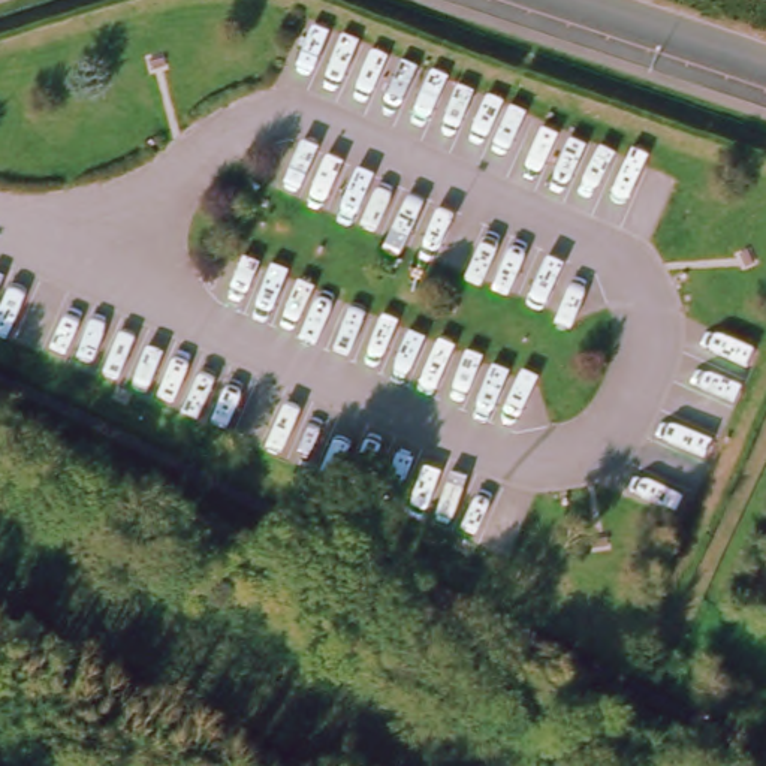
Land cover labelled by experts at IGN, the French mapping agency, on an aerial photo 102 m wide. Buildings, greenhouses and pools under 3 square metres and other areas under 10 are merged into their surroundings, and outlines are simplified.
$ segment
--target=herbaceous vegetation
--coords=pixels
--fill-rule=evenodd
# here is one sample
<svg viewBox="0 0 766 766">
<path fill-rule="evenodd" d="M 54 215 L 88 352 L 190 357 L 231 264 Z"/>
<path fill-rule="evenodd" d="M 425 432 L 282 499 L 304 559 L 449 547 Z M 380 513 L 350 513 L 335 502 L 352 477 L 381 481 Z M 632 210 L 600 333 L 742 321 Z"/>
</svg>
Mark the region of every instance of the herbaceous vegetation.
<svg viewBox="0 0 766 766">
<path fill-rule="evenodd" d="M 766 751 L 766 718 L 748 727 L 748 739 L 742 745 L 751 757 L 757 751 Z"/>
<path fill-rule="evenodd" d="M 254 141 L 284 150 L 287 156 L 299 141 L 323 141 L 326 123 L 284 117 L 260 129 Z"/>
<path fill-rule="evenodd" d="M 688 269 L 688 281 L 679 287 L 682 305 L 688 305 L 691 317 L 700 320 L 709 332 L 727 332 L 751 344 L 751 374 L 739 383 L 739 398 L 724 422 L 730 428 L 739 425 L 742 413 L 748 413 L 754 383 L 766 368 L 766 120 L 715 108 L 700 99 L 610 72 L 604 66 L 592 66 L 533 42 L 485 30 L 446 12 L 419 6 L 413 0 L 347 0 L 386 18 L 419 27 L 425 33 L 434 33 L 440 39 L 449 39 L 455 45 L 464 45 L 470 51 L 506 60 L 518 69 L 551 75 L 551 84 L 560 84 L 566 90 L 583 87 L 592 99 L 613 102 L 619 108 L 649 117 L 661 114 L 670 117 L 679 129 L 706 138 L 712 135 L 721 144 L 721 156 L 718 162 L 706 162 L 670 150 L 667 144 L 655 141 L 655 135 L 622 132 L 607 123 L 595 123 L 580 111 L 560 111 L 554 102 L 542 102 L 530 90 L 482 78 L 476 69 L 464 72 L 461 66 L 455 66 L 452 57 L 440 57 L 437 51 L 410 48 L 407 60 L 419 63 L 422 69 L 440 69 L 452 81 L 467 84 L 470 90 L 494 93 L 503 102 L 512 102 L 527 114 L 539 117 L 545 126 L 572 132 L 580 141 L 604 144 L 610 150 L 643 150 L 652 168 L 676 180 L 667 209 L 655 227 L 655 245 L 667 260 L 724 257 L 733 251 L 748 251 L 757 260 L 754 269 Z"/>
<path fill-rule="evenodd" d="M 105 0 L 0 0 L 0 33 Z"/>
<path fill-rule="evenodd" d="M 233 51 L 215 45 L 209 33 L 230 15 L 245 30 L 245 39 Z M 290 57 L 305 27 L 305 6 L 284 9 L 272 6 L 269 0 L 230 0 L 180 3 L 165 12 L 156 12 L 147 27 L 132 24 L 126 30 L 123 24 L 108 24 L 96 33 L 78 33 L 30 51 L 0 54 L 0 171 L 66 174 L 66 186 L 87 183 L 81 177 L 81 168 L 126 153 L 147 141 L 156 129 L 168 126 L 159 84 L 144 63 L 147 54 L 168 63 L 180 129 L 189 129 L 197 117 L 192 105 L 200 93 L 242 75 L 257 75 L 260 69 L 272 66 L 281 54 Z M 102 72 L 111 75 L 111 81 L 102 87 L 75 90 L 69 96 L 63 63 L 78 51 L 87 51 L 87 60 L 99 63 Z"/>
<path fill-rule="evenodd" d="M 640 727 L 688 727 L 697 718 L 691 679 L 652 679 L 640 667 L 634 667 L 625 646 L 631 637 L 655 637 L 667 649 L 694 655 L 694 622 L 712 628 L 709 655 L 718 658 L 718 670 L 727 679 L 751 679 L 754 685 L 766 688 L 766 646 L 745 634 L 736 622 L 727 622 L 718 604 L 736 595 L 742 604 L 766 604 L 766 470 L 754 485 L 754 500 L 745 506 L 739 518 L 736 536 L 718 557 L 709 589 L 700 589 L 697 580 L 703 554 L 709 551 L 721 521 L 727 518 L 733 497 L 745 485 L 742 464 L 751 461 L 766 428 L 766 395 L 751 422 L 751 431 L 736 458 L 727 488 L 712 488 L 697 524 L 697 542 L 691 548 L 691 554 L 679 563 L 682 583 L 670 583 L 658 604 L 637 607 L 610 601 L 616 577 L 634 569 L 640 518 L 646 512 L 655 512 L 658 506 L 622 494 L 598 521 L 589 524 L 577 518 L 566 500 L 539 494 L 518 527 L 482 545 L 476 545 L 458 521 L 440 515 L 437 509 L 428 509 L 422 518 L 398 515 L 398 548 L 392 551 L 386 536 L 371 545 L 377 566 L 398 580 L 413 575 L 431 575 L 434 586 L 428 589 L 428 607 L 434 613 L 440 613 L 443 607 L 455 607 L 458 598 L 485 598 L 491 619 L 512 619 L 512 634 L 524 643 L 527 661 L 539 652 L 542 643 L 560 646 L 575 670 L 572 682 L 560 685 L 557 691 L 557 697 L 566 706 L 586 706 L 601 697 L 613 697 L 631 706 L 631 721 Z"/>
<path fill-rule="evenodd" d="M 48 350 L 42 350 L 42 344 L 30 347 L 18 344 L 9 332 L 0 335 L 0 407 L 9 413 L 21 413 L 30 425 L 48 431 L 60 446 L 66 446 L 75 455 L 75 461 L 81 461 L 93 473 L 108 473 L 111 482 L 132 482 L 135 488 L 165 485 L 168 491 L 189 500 L 197 527 L 209 530 L 209 536 L 200 539 L 200 551 L 209 554 L 233 551 L 251 533 L 257 533 L 263 518 L 275 509 L 272 491 L 278 485 L 293 482 L 296 464 L 281 455 L 266 455 L 263 443 L 257 449 L 248 449 L 248 440 L 242 434 L 230 434 L 227 425 L 203 422 L 200 416 L 180 416 L 174 407 L 162 404 L 159 395 L 150 389 L 138 389 L 135 383 L 120 380 L 111 383 L 90 362 L 57 359 Z"/>
<path fill-rule="evenodd" d="M 554 422 L 575 419 L 598 395 L 601 383 L 598 377 L 580 383 L 569 377 L 569 362 L 586 347 L 610 362 L 616 356 L 622 335 L 622 323 L 613 314 L 604 311 L 580 317 L 575 320 L 575 326 L 563 329 L 554 323 L 551 311 L 530 308 L 521 296 L 503 296 L 482 284 L 467 284 L 467 266 L 473 257 L 470 242 L 446 245 L 434 260 L 419 260 L 416 248 L 389 254 L 383 248 L 386 239 L 380 233 L 338 224 L 332 212 L 308 209 L 305 200 L 281 189 L 281 177 L 254 177 L 239 162 L 224 165 L 212 183 L 239 192 L 233 197 L 233 215 L 218 221 L 236 233 L 248 257 L 284 266 L 290 275 L 311 281 L 326 299 L 350 302 L 371 314 L 398 317 L 404 314 L 404 302 L 413 305 L 419 299 L 422 275 L 437 278 L 443 290 L 449 290 L 449 308 L 461 305 L 461 317 L 455 323 L 446 323 L 446 338 L 464 350 L 479 350 L 488 362 L 533 371 Z"/>
</svg>

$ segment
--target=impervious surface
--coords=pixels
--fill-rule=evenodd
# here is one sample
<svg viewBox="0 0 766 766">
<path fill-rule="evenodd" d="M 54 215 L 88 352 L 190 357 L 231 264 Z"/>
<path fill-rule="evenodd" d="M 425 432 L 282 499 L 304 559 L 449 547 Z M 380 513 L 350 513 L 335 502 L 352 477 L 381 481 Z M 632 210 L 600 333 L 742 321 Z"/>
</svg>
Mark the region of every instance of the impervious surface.
<svg viewBox="0 0 766 766">
<path fill-rule="evenodd" d="M 721 521 L 709 551 L 703 554 L 697 580 L 700 589 L 709 589 L 718 557 L 736 536 L 739 518 L 745 506 L 754 500 L 754 485 L 766 470 L 766 428 L 751 461 L 742 464 L 745 485 L 733 497 L 727 518 Z"/>
<path fill-rule="evenodd" d="M 419 6 L 446 12 L 485 30 L 533 42 L 592 66 L 604 66 L 610 72 L 700 99 L 715 108 L 766 120 L 766 30 L 730 18 L 709 18 L 673 0 L 413 0 Z"/>
<path fill-rule="evenodd" d="M 144 63 L 159 84 L 168 126 L 171 141 L 159 156 L 117 177 L 87 183 L 66 186 L 27 192 L 0 186 L 0 335 L 9 332 L 18 344 L 30 347 L 42 344 L 42 350 L 48 350 L 57 359 L 90 362 L 111 383 L 120 380 L 135 383 L 138 389 L 150 389 L 159 395 L 162 404 L 174 407 L 180 416 L 200 416 L 203 422 L 227 425 L 230 434 L 242 434 L 248 440 L 248 449 L 257 449 L 263 443 L 266 455 L 281 455 L 296 464 L 326 467 L 329 458 L 350 461 L 356 452 L 383 452 L 383 458 L 395 464 L 395 473 L 413 482 L 410 494 L 395 497 L 398 515 L 422 518 L 428 509 L 437 509 L 440 515 L 458 521 L 476 545 L 482 545 L 518 527 L 539 494 L 566 500 L 577 518 L 589 524 L 598 521 L 622 494 L 658 506 L 676 509 L 673 530 L 691 548 L 697 542 L 697 524 L 712 488 L 715 467 L 721 461 L 718 422 L 724 422 L 739 398 L 739 383 L 751 374 L 751 344 L 727 332 L 709 332 L 700 320 L 691 317 L 688 305 L 682 305 L 679 287 L 688 281 L 688 269 L 754 269 L 757 260 L 748 251 L 733 251 L 724 257 L 667 260 L 655 245 L 655 227 L 667 209 L 676 180 L 652 168 L 643 150 L 610 150 L 604 144 L 580 141 L 572 132 L 545 126 L 539 117 L 527 114 L 512 102 L 503 102 L 494 93 L 470 90 L 467 84 L 452 81 L 440 69 L 422 69 L 419 63 L 407 60 L 383 54 L 353 39 L 350 33 L 335 33 L 320 24 L 305 27 L 290 57 L 290 63 L 269 87 L 239 93 L 230 102 L 215 105 L 209 114 L 197 117 L 189 129 L 180 129 L 168 63 L 147 54 Z M 338 224 L 380 233 L 386 239 L 383 248 L 389 254 L 416 248 L 419 260 L 434 260 L 446 245 L 470 242 L 473 257 L 467 266 L 467 284 L 482 284 L 503 296 L 521 296 L 530 308 L 551 311 L 554 323 L 563 329 L 575 326 L 575 320 L 580 317 L 604 311 L 613 314 L 622 323 L 622 335 L 616 356 L 610 362 L 601 383 L 598 395 L 575 419 L 554 422 L 533 371 L 488 362 L 479 350 L 464 350 L 446 338 L 431 338 L 416 329 L 407 329 L 398 317 L 371 314 L 350 302 L 326 299 L 311 281 L 290 275 L 284 266 L 248 257 L 239 257 L 233 269 L 227 269 L 218 278 L 203 278 L 194 260 L 189 245 L 192 230 L 215 221 L 200 206 L 203 192 L 212 183 L 224 165 L 239 162 L 254 141 L 260 129 L 284 117 L 326 123 L 323 141 L 299 141 L 287 156 L 281 177 L 281 189 L 305 200 L 308 209 L 332 212 Z"/>
</svg>

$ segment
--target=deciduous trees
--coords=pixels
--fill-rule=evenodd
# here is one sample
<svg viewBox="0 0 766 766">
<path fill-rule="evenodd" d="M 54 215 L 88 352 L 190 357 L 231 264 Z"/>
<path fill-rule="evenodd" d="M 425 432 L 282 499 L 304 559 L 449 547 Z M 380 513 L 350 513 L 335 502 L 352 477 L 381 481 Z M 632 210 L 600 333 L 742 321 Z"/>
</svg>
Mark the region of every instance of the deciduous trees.
<svg viewBox="0 0 766 766">
<path fill-rule="evenodd" d="M 233 51 L 245 39 L 245 30 L 230 15 L 209 33 L 215 45 Z"/>
<path fill-rule="evenodd" d="M 601 383 L 610 362 L 586 347 L 569 362 L 569 377 L 580 383 L 598 377 Z"/>
<path fill-rule="evenodd" d="M 203 688 L 174 682 L 138 688 L 123 676 L 120 667 L 99 664 L 96 640 L 87 640 L 84 649 L 69 646 L 60 637 L 51 637 L 51 631 L 42 628 L 33 616 L 0 616 L 0 748 L 39 736 L 45 745 L 51 745 L 57 766 L 281 766 L 278 754 L 254 754 L 242 736 L 218 730 L 218 712 L 206 712 Z"/>
<path fill-rule="evenodd" d="M 754 685 L 751 679 L 727 679 L 718 670 L 718 658 L 709 655 L 712 628 L 694 622 L 694 655 L 667 649 L 655 637 L 631 637 L 625 646 L 634 667 L 640 667 L 652 679 L 691 679 L 697 718 L 688 727 L 640 727 L 631 721 L 631 706 L 613 697 L 601 697 L 586 706 L 566 706 L 557 697 L 557 691 L 560 685 L 572 682 L 575 670 L 560 646 L 542 643 L 539 652 L 527 661 L 524 643 L 512 634 L 512 619 L 491 619 L 485 598 L 458 598 L 455 607 L 443 607 L 440 613 L 434 613 L 428 607 L 428 589 L 434 586 L 431 575 L 413 575 L 398 580 L 377 566 L 371 545 L 386 536 L 392 551 L 398 548 L 398 515 L 395 497 L 410 494 L 413 482 L 395 473 L 395 464 L 383 458 L 383 452 L 356 452 L 350 461 L 329 458 L 326 467 L 296 464 L 293 482 L 278 485 L 272 491 L 275 509 L 263 518 L 257 533 L 251 533 L 233 551 L 209 554 L 200 551 L 200 539 L 209 536 L 209 530 L 197 527 L 189 500 L 168 491 L 165 485 L 135 488 L 132 482 L 111 482 L 108 473 L 93 473 L 81 461 L 75 461 L 75 455 L 66 446 L 60 446 L 48 431 L 30 425 L 21 413 L 9 413 L 0 407 L 0 512 L 21 521 L 24 533 L 36 539 L 42 548 L 84 542 L 87 557 L 78 566 L 87 572 L 90 580 L 99 572 L 108 572 L 108 577 L 117 583 L 135 575 L 147 586 L 150 598 L 174 613 L 186 604 L 189 586 L 206 577 L 209 566 L 218 569 L 218 577 L 230 577 L 233 583 L 242 577 L 266 580 L 269 575 L 275 583 L 293 589 L 296 622 L 305 628 L 305 634 L 311 637 L 314 625 L 323 625 L 329 637 L 317 652 L 311 652 L 308 646 L 296 649 L 302 682 L 344 685 L 362 703 L 371 703 L 380 712 L 398 712 L 413 724 L 413 736 L 407 739 L 407 745 L 416 745 L 431 736 L 443 739 L 437 745 L 437 760 L 431 766 L 766 766 L 766 751 L 757 751 L 751 757 L 742 745 L 748 739 L 748 727 L 766 718 L 766 688 Z"/>
<path fill-rule="evenodd" d="M 203 278 L 218 278 L 227 269 L 227 263 L 212 251 L 194 260 Z"/>
<path fill-rule="evenodd" d="M 736 622 L 745 634 L 766 646 L 766 604 L 742 604 L 736 595 L 718 604 L 727 622 Z"/>
<path fill-rule="evenodd" d="M 413 305 L 404 302 L 404 314 L 398 317 L 407 329 L 416 329 L 431 338 L 446 338 L 446 323 L 455 323 L 461 317 L 461 305 L 449 308 L 449 290 L 443 290 L 437 278 L 422 275 L 419 299 Z"/>
<path fill-rule="evenodd" d="M 203 192 L 200 206 L 215 221 L 218 221 L 233 215 L 233 197 L 239 192 L 212 183 Z"/>
<path fill-rule="evenodd" d="M 691 554 L 691 548 L 673 530 L 676 509 L 658 506 L 655 512 L 646 512 L 640 518 L 634 569 L 616 577 L 610 601 L 637 607 L 658 604 L 670 583 L 682 583 L 679 563 Z"/>
<path fill-rule="evenodd" d="M 281 177 L 287 156 L 284 150 L 254 141 L 239 162 L 254 177 Z"/>
</svg>

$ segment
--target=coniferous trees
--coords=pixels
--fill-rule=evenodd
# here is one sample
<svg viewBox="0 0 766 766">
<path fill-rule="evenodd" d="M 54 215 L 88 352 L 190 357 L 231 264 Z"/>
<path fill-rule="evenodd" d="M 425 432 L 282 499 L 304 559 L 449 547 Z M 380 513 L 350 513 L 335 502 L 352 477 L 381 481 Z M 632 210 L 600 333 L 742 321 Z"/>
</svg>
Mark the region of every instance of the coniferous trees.
<svg viewBox="0 0 766 766">
<path fill-rule="evenodd" d="M 194 260 L 212 251 L 227 263 L 227 269 L 233 269 L 239 257 L 248 257 L 236 233 L 218 221 L 215 221 L 192 230 L 189 245 Z"/>
<path fill-rule="evenodd" d="M 111 81 L 111 75 L 102 72 L 99 63 L 87 60 L 87 51 L 78 51 L 63 63 L 69 96 L 75 90 L 102 87 Z"/>
</svg>

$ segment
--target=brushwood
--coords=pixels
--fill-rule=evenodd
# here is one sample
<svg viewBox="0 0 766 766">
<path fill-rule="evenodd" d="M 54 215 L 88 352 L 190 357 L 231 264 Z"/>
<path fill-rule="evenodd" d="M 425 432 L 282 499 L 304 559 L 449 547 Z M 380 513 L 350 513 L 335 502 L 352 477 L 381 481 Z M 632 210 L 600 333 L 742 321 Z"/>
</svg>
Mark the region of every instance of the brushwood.
<svg viewBox="0 0 766 766">
<path fill-rule="evenodd" d="M 197 117 L 209 114 L 215 105 L 230 102 L 239 93 L 269 87 L 290 63 L 290 57 L 281 54 L 272 66 L 260 69 L 257 75 L 242 75 L 200 93 L 192 105 Z"/>
<path fill-rule="evenodd" d="M 27 192 L 66 186 L 66 174 L 0 171 L 0 186 Z"/>
<path fill-rule="evenodd" d="M 0 766 L 57 766 L 51 745 L 45 745 L 39 736 L 0 748 Z"/>
<path fill-rule="evenodd" d="M 171 141 L 168 126 L 156 129 L 147 141 L 126 153 L 81 168 L 81 177 L 87 183 L 117 177 L 159 156 Z"/>
<path fill-rule="evenodd" d="M 709 18 L 730 18 L 766 30 L 766 0 L 673 0 Z"/>
<path fill-rule="evenodd" d="M 84 542 L 42 548 L 36 539 L 24 533 L 21 521 L 0 512 L 0 616 L 33 616 L 42 628 L 51 631 L 51 637 L 60 637 L 69 646 L 84 649 L 87 640 L 96 640 L 99 664 L 120 667 L 123 676 L 138 688 L 174 682 L 203 688 L 206 712 L 218 712 L 218 730 L 242 736 L 254 754 L 278 754 L 281 766 L 431 766 L 437 760 L 437 745 L 443 739 L 431 736 L 416 745 L 407 745 L 407 739 L 413 736 L 413 724 L 398 712 L 380 712 L 371 703 L 362 703 L 344 685 L 302 682 L 296 649 L 308 646 L 311 652 L 317 652 L 329 637 L 323 625 L 314 625 L 311 637 L 305 634 L 305 628 L 296 622 L 293 589 L 275 583 L 269 575 L 266 580 L 242 577 L 233 583 L 230 577 L 218 577 L 218 569 L 209 566 L 206 577 L 189 586 L 186 604 L 174 613 L 150 598 L 147 586 L 135 575 L 117 583 L 108 577 L 108 572 L 99 572 L 90 580 L 87 572 L 78 566 L 87 557 Z"/>
</svg>

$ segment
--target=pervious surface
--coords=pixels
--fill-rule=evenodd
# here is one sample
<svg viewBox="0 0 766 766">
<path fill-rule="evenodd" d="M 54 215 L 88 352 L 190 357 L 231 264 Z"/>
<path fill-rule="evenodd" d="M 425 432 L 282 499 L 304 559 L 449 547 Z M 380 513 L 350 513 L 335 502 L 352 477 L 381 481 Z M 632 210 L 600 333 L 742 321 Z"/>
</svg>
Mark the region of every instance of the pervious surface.
<svg viewBox="0 0 766 766">
<path fill-rule="evenodd" d="M 721 461 L 715 467 L 712 488 L 727 488 L 736 458 L 751 431 L 751 422 L 766 395 L 766 368 L 754 383 L 748 413 L 742 413 L 739 425 L 730 428 L 724 422 L 718 422 Z"/>
<path fill-rule="evenodd" d="M 661 114 L 649 117 L 619 108 L 613 102 L 592 99 L 583 87 L 566 90 L 560 84 L 551 84 L 551 75 L 518 69 L 506 60 L 470 51 L 464 45 L 455 45 L 449 39 L 440 39 L 434 33 L 425 33 L 419 27 L 386 18 L 347 0 L 269 0 L 272 6 L 284 9 L 305 6 L 305 27 L 320 24 L 335 33 L 350 33 L 353 39 L 383 54 L 407 60 L 410 48 L 437 51 L 440 57 L 452 57 L 455 66 L 461 66 L 464 72 L 476 69 L 482 78 L 530 90 L 542 102 L 554 102 L 560 111 L 580 111 L 595 123 L 607 123 L 622 132 L 655 135 L 655 141 L 667 144 L 670 150 L 706 162 L 718 162 L 721 156 L 721 144 L 712 135 L 706 138 L 679 129 L 670 117 Z"/>
<path fill-rule="evenodd" d="M 180 3 L 230 0 L 105 0 L 0 33 L 0 54 L 30 51 L 78 33 L 96 33 L 108 24 L 123 24 L 126 30 L 132 24 L 147 27 L 156 12 L 165 12 Z"/>
</svg>

